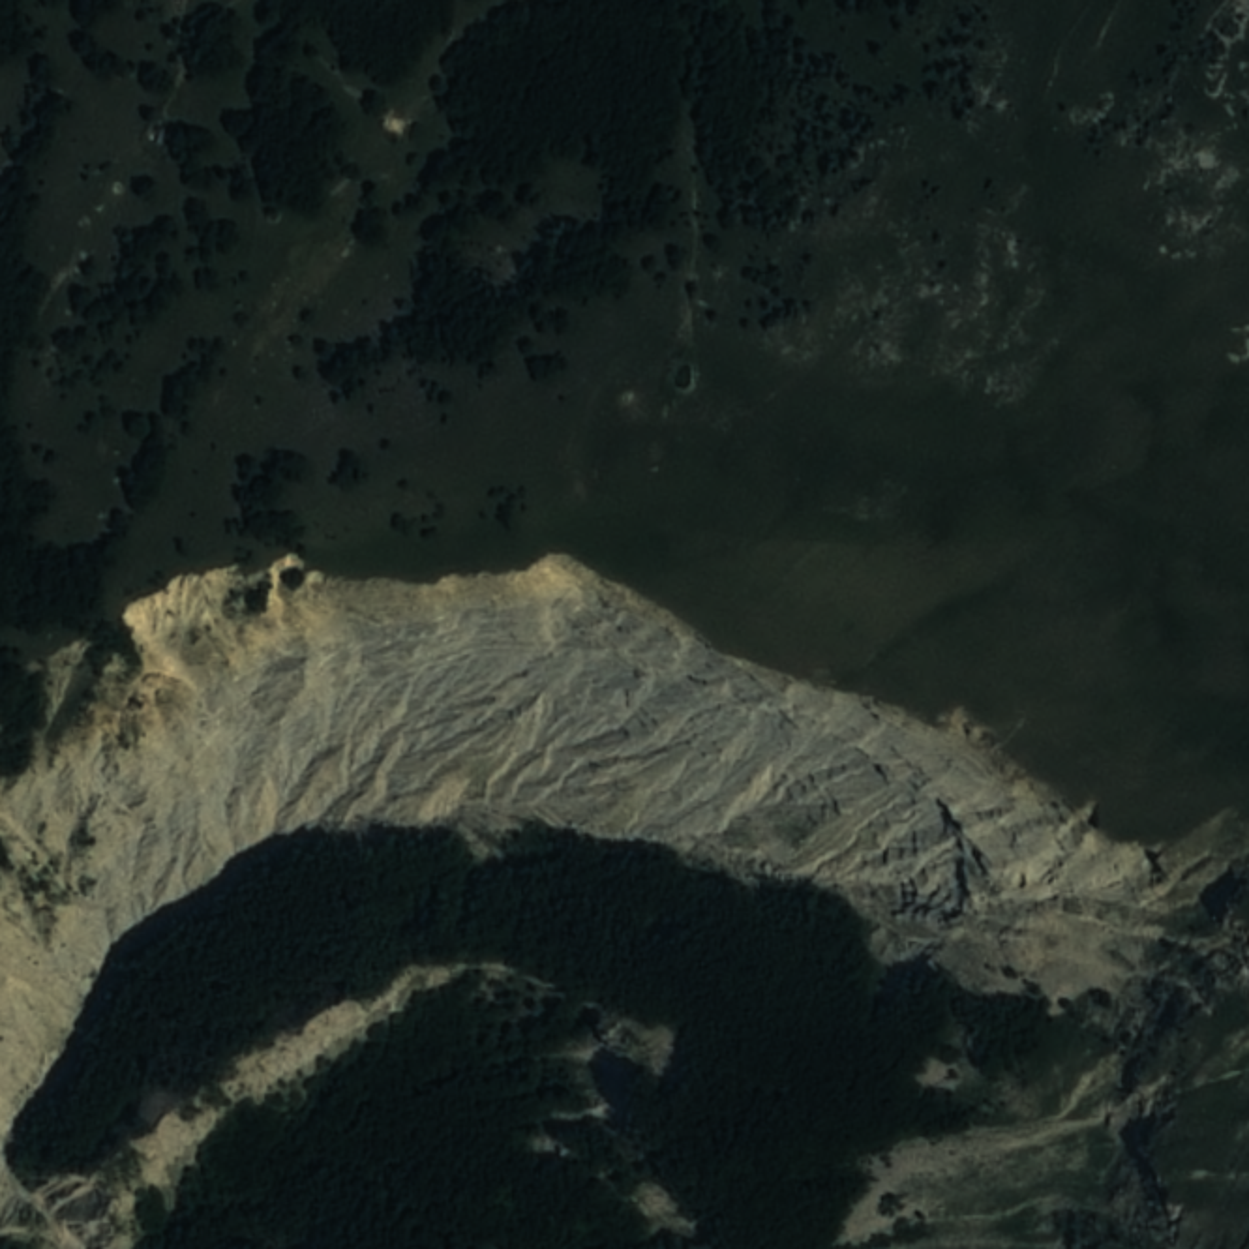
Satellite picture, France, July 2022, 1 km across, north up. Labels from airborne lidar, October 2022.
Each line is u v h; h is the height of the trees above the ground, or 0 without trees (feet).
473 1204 114
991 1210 0
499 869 20
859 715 0
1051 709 0
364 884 78
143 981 104
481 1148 98
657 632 0
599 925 68
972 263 0
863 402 0
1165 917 0
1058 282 0
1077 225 0
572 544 0
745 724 0
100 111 0
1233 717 0
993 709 0
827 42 0
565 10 63
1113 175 0
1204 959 0
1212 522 0
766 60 41
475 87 65
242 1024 49
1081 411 0
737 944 78
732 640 0
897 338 0
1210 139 0
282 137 71
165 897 0
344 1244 92
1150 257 0
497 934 39
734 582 0
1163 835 0
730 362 0
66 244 0
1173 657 0
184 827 0
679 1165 73
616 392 0
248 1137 57
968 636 0
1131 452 0
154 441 48
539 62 43
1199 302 0
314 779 0
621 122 67
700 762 0
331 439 0
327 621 0
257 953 85
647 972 82
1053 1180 0
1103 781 0
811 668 0
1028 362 0
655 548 0
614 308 0
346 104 0
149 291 26
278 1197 81
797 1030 72
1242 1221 0
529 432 0
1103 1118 0
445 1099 78
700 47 26
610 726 0
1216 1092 0
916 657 0
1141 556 0
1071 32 0
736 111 37
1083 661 0
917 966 0
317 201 44
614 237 44
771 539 0
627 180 49
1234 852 0
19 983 0
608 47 51
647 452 0
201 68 54
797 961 54
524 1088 63
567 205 0
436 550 0
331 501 0
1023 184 0
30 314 52
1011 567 0
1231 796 0
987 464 0
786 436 0
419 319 33
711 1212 49
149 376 0
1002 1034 55
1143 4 0
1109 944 0
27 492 53
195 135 61
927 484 0
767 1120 80
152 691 0
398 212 36
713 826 0
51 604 50
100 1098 84
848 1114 87
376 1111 80
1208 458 0
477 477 0
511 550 0
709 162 30
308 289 0
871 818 0
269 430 0
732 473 0
